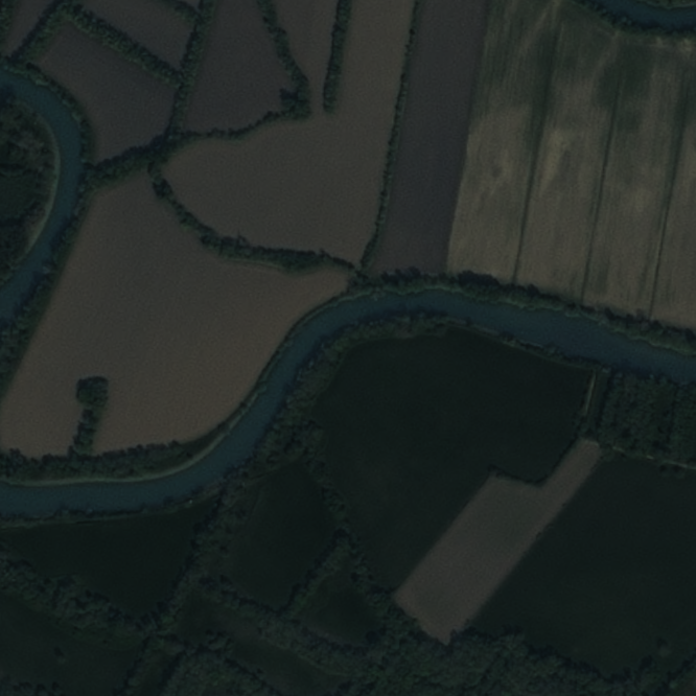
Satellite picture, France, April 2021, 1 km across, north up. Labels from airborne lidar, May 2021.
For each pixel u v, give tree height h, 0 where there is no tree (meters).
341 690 7
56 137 0
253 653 0
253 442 0
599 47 0
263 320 0
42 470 7
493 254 0
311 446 16
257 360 0
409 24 0
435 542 0
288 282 0
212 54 0
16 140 17
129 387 0
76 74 0
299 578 0
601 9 10
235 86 0
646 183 0
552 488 0
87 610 17
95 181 18
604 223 0
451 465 0
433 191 0
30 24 0
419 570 0
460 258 0
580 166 0
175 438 0
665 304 0
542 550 0
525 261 0
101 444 0
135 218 0
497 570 0
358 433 0
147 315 0
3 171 10
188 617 0
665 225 0
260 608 13
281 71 0
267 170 0
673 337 13
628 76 0
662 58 0
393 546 0
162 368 0
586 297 0
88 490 0
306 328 0
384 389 0
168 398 0
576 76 0
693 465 14
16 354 20
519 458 0
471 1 0
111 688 0
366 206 0
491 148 0
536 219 0
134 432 0
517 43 0
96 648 0
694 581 0
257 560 0
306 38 0
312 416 0
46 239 0
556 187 0
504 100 0
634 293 0
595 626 0
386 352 0
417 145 0
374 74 0
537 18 0
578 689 13
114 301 0
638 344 0
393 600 14
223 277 0
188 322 0
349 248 0
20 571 17
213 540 17
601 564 0
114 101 0
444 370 0
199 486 0
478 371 0
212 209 0
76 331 0
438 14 0
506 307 0
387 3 0
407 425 0
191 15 17
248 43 0
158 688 0
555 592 0
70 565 0
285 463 0
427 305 0
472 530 0
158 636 18
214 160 0
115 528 0
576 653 0
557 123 0
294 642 14
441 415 0
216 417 0
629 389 26
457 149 0
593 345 0
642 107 0
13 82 0
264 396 0
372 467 0
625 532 0
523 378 0
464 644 19
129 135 0
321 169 0
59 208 0
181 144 16
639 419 25
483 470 0
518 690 14
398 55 0
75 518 6
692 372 0
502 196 0
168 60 0
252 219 0
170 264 0
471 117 0
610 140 0
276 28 11
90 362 0
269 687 15
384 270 0
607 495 0
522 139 0
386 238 0
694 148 0
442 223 0
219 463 0
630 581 0
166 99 0
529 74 0
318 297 0
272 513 0
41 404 0
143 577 0
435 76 0
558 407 0
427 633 0
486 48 0
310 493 0
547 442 0
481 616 0
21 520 9
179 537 0
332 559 17
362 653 14
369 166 0
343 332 7
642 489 0
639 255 0
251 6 0
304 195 0
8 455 0
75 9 14
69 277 0
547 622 0
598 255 0
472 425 0
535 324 0
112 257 0
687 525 0
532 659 21
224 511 16
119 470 17
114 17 0
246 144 0
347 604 0
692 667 12
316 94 0
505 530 0
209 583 19
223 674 18
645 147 0
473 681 18
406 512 0
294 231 0
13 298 0
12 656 0
